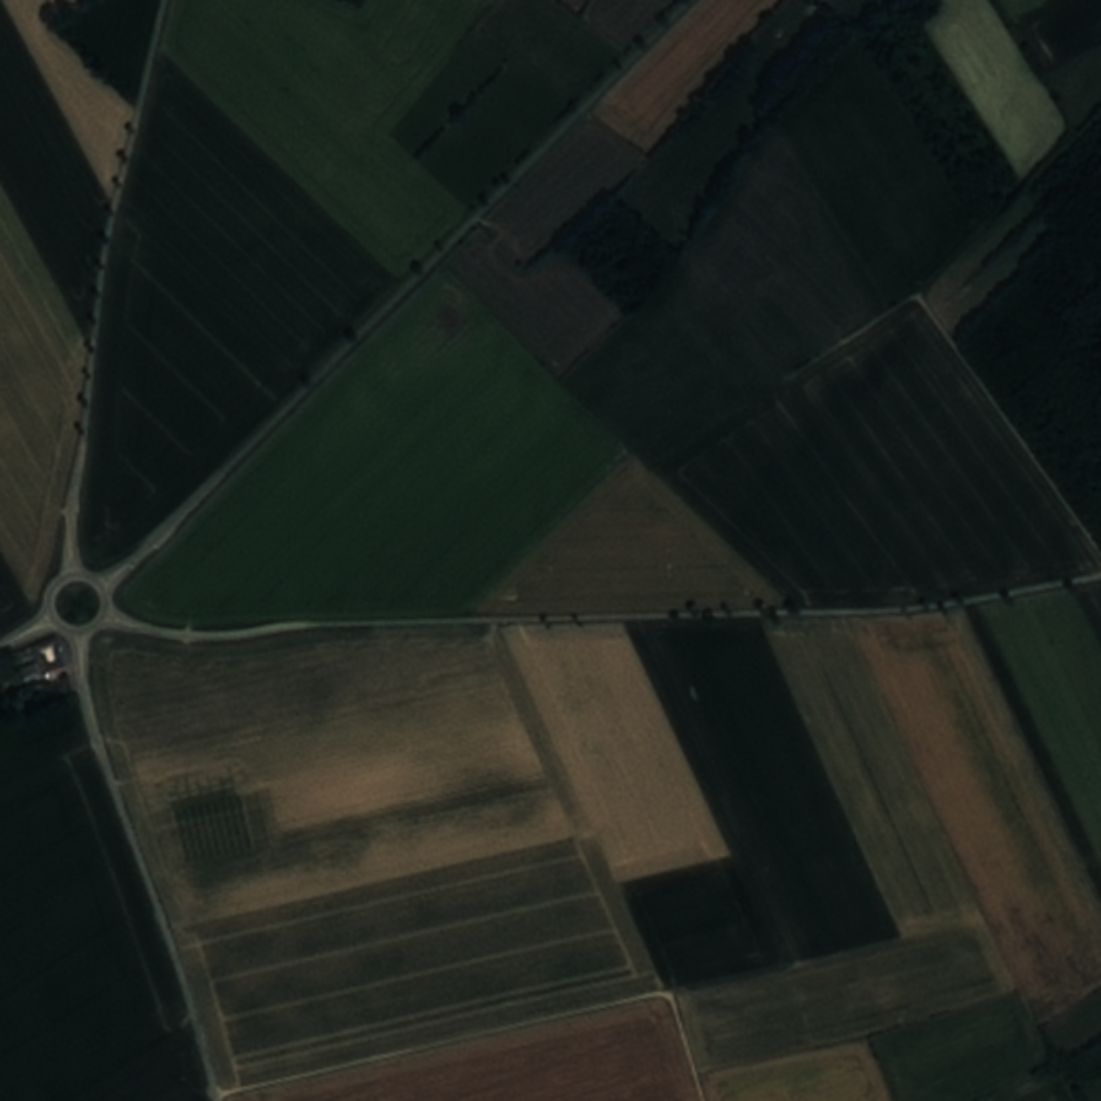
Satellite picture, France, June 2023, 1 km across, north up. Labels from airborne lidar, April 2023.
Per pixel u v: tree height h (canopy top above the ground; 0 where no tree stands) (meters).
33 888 0
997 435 0
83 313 0
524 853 0
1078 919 0
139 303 0
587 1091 0
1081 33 0
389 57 0
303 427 0
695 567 0
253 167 0
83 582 0
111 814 0
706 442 0
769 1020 0
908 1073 0
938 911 0
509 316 0
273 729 0
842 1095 0
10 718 20
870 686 0
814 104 0
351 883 0
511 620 0
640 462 0
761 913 0
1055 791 0
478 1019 0
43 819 0
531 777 0
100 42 0
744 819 0
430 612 0
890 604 0
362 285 0
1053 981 0
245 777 0
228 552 0
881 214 0
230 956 0
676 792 0
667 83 0
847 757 0
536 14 0
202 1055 0
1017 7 0
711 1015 0
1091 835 0
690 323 0
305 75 0
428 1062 0
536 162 0
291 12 0
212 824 0
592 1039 0
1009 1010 0
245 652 0
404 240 0
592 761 0
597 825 0
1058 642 0
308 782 0
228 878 0
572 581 0
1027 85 0
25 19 0
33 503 0
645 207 0
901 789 0
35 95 0
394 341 0
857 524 0
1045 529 0
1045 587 0
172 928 0
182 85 0
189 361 0
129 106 0
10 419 0
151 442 0
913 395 0
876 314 0
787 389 0
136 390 0
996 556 0
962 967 0
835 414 0
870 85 0
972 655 0
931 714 0
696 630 0
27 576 0
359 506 0
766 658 0
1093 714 0
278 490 0
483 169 0
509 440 0
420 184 0
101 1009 0
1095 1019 0
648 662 0
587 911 0
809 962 0
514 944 0
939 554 0
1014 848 0
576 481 0
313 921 0
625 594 0
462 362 0
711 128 0
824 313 0
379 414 0
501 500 0
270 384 0
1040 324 14
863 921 0
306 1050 0
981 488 0
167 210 0
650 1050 0
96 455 0
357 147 0
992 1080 0
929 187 0
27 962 0
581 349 0
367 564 0
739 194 0
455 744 0
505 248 0
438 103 0
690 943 0
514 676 0
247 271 0
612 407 0
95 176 0
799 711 0
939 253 0
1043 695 0
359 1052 0
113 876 0
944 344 0
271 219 0
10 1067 0
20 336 0
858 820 0
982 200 17
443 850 0
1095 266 15
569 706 0
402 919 0
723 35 0
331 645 0
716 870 0
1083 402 17
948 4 0
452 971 0
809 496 0
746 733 0
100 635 0
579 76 0
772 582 0
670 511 0
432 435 0
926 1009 0
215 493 0
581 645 0
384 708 0
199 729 0
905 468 0
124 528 0
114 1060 0
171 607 0
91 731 0
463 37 0
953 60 0
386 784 0
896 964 0
